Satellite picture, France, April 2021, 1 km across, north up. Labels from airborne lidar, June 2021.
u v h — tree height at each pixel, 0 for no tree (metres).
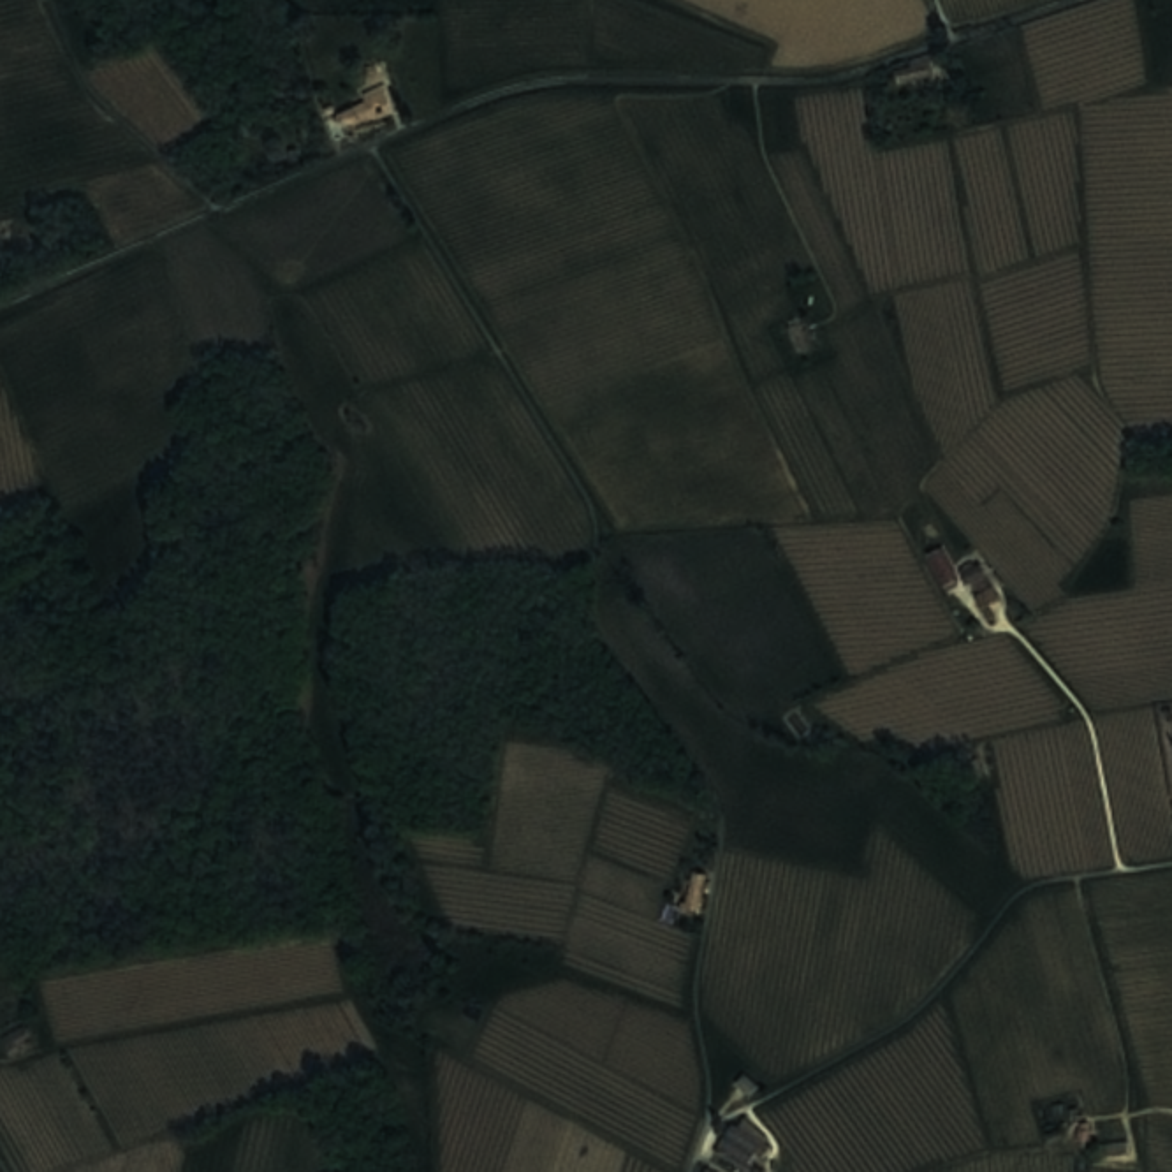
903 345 0
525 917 0
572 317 0
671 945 0
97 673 17
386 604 20
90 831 23
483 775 23
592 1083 0
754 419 0
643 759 20
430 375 0
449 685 20
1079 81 0
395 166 0
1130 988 0
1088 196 0
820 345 0
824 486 0
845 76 0
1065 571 0
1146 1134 0
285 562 21
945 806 19
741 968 0
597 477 0
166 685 18
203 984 0
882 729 0
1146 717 0
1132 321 0
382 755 27
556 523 0
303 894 19
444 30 0
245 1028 0
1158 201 0
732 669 0
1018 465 0
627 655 0
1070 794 0
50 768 26
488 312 0
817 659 0
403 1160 19
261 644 24
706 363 0
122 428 0
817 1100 0
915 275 0
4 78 0
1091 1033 0
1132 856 0
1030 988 0
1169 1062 0
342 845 15
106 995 0
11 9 0
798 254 0
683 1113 0
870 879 0
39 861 23
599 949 0
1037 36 0
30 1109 0
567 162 0
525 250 0
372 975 11
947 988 0
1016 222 0
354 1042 0
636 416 0
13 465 0
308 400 0
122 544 0
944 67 6
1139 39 0
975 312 0
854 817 0
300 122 8
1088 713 0
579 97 0
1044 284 0
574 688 20
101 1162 0
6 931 22
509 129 0
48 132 0
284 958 0
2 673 25
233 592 21
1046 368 0
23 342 0
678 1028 0
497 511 0
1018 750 0
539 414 0
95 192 0
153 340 0
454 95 0
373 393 0
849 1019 0
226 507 19
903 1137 0
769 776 0
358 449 0
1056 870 0
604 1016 0
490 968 0
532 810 0
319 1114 21
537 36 0
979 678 0
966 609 0
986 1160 0
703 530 0
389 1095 21
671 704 0
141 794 28
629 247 0
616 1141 0
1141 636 0
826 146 0
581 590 16
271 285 0
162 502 27
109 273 0
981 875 0
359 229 0
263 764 24
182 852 23
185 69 16
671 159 0
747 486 0
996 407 0
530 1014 0
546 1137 0
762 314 0
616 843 0
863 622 0
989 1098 0
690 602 0
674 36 0
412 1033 11
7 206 0
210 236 0
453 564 20
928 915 0
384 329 0
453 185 0
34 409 0
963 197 0
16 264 15
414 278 0
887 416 0
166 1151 0
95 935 21
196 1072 0
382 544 0
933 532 0
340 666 26
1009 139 0
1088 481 0
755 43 0
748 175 0
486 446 0
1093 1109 0
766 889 0
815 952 0
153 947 24
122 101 0
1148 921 0
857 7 0
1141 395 0
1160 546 0
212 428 24
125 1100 0
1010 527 0
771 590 0
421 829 22
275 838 27
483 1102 0
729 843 0
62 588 25
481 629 22
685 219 0
